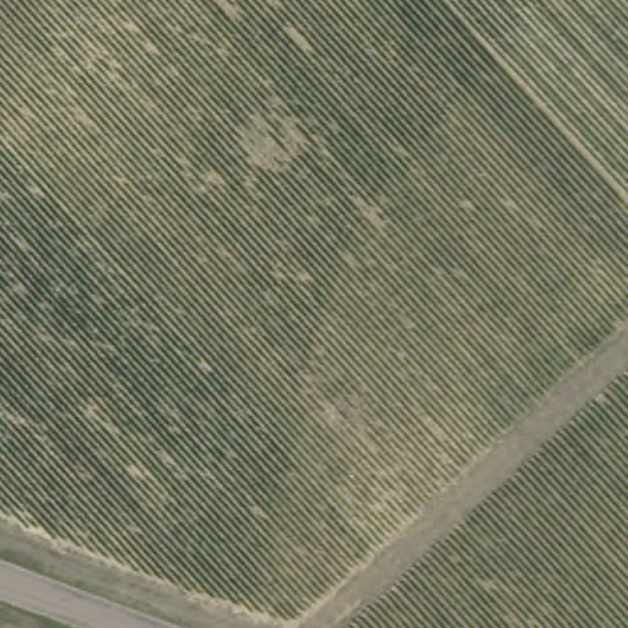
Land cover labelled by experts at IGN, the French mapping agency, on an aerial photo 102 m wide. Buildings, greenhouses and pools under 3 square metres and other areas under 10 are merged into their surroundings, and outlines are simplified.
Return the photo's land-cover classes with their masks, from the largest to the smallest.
<instances>
[{"label":"vineyard","instance_id":"1","mask_svg":"<svg viewBox=\"0 0 628 628\"><path fill-rule=\"evenodd\" d=\"M628 316V0H0V520L7 527L37 537L56 552L66 550L81 554L96 564H105L118 574H128L130 567L142 569L155 576L169 579L189 591H204L216 599H228L260 613L294 618L299 611L312 606L314 599H319L334 581L343 579L351 564L366 557L368 547L378 545L385 532L395 530L402 515L415 513L422 503H429L439 493H446L451 478L459 476L461 466L481 446L498 437V432L508 427L520 412L535 410L532 397H540L547 388H552L567 368H572V363H576L584 353L594 351L613 331V324L618 319ZM606 402L594 400L576 410L572 415V422L562 427L552 439H547L535 456L523 459V464L515 469V476L503 486L493 488L466 515L456 532H451L446 540H437L419 564H412L410 572H402L400 586L388 584L385 599L356 608L353 616L341 621V628H628V375H618L616 383H611L603 390Z\"/></svg>","mask_w":628,"mask_h":628},{"label":"herbaceous vegetation","instance_id":"2","mask_svg":"<svg viewBox=\"0 0 628 628\"><path fill-rule=\"evenodd\" d=\"M618 375H628V316L618 319L613 324V331L594 351L584 353L576 363H572V368H567L552 388H547L540 397H532L535 410L520 412L508 427L498 432V437L481 446L461 466L459 476L451 478L446 493H439L429 503H422L415 513L402 515L395 530L385 532L378 545L368 547L366 557L351 564L343 579L334 581L319 599H314L312 606L299 611L294 618L260 613L228 599H216L204 591H189L169 579L155 576L142 569L130 567L128 574H118L105 564H96L81 554L66 550L56 552L37 537L7 527L0 520V559L25 567L39 576L61 581L66 586H76L110 603L155 616L179 628H341V621L353 616L356 608L385 599L388 584L400 586L402 572H410L412 564H419L437 540H446L451 532H456L466 515L493 488L503 486L515 476V469L523 464V459L535 456L547 439H552L562 427L572 422V415L576 410L594 400L606 402L603 390L611 383H616ZM0 628H71L42 613L0 601Z\"/></svg>","mask_w":628,"mask_h":628},{"label":"impervious surface","instance_id":"3","mask_svg":"<svg viewBox=\"0 0 628 628\"><path fill-rule=\"evenodd\" d=\"M0 601L42 613L71 628H179L155 616L110 603L76 586H66L61 581L39 576L25 567L0 559Z\"/></svg>","mask_w":628,"mask_h":628}]
</instances>
